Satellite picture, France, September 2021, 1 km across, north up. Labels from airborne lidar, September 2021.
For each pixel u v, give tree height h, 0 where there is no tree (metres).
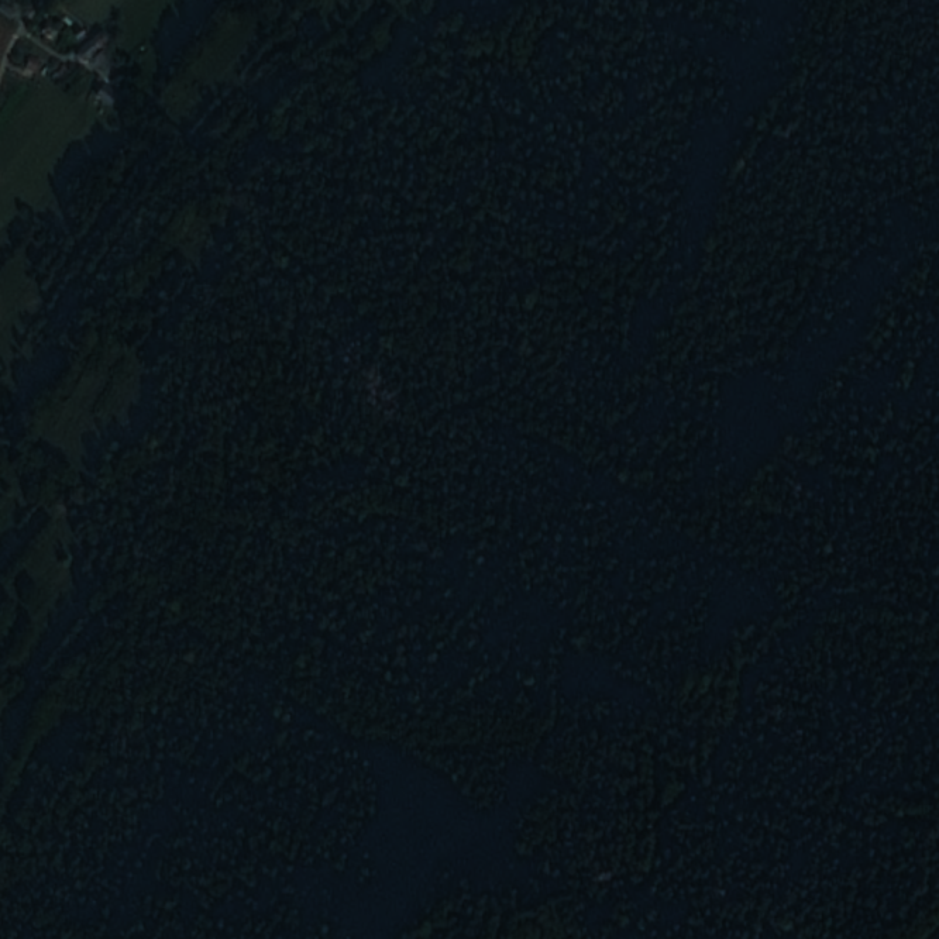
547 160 31
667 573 32
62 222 0
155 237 22
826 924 26
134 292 24
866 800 32
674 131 31
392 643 34
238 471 7
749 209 29
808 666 35
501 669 32
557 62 12
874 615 33
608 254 36
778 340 27
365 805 30
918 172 31
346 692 27
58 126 0
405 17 0
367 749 21
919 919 22
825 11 25
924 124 27
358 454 25
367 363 29
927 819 26
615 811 28
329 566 31
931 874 26
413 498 21
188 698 30
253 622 22
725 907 28
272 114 26
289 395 10
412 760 24
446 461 29
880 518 22
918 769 28
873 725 35
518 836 27
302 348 27
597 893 30
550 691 30
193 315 27
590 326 30
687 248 28
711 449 32
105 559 32
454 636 30
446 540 20
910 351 22
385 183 33
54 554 0
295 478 9
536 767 23
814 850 36
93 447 0
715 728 28
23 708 0
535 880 30
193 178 19
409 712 25
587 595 32
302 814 31
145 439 19
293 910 29
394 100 17
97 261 19
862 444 18
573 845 28
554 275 32
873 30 25
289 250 26
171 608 38
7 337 0
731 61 31
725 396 30
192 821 25
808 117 27
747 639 29
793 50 30
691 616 28
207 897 24
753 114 27
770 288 30
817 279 27
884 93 27
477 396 30
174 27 0
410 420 29
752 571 32
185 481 24
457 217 36
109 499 16
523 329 32
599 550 29
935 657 24
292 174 25
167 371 22
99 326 25
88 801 25
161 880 23
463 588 34
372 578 31
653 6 24
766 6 31
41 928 26
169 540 32
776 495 25
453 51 13
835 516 22
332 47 25
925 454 13
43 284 16
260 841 34
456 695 30
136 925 31
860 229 27
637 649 28
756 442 25
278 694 30
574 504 30
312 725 23
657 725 33
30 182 0
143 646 28
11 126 0
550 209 25
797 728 26
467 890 24
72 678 28
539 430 29
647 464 29
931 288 12
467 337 28
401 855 20
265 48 14
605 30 25
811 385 27
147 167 7
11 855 24
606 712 32
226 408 29
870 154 28
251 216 20
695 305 24
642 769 28
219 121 18
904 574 26
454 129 26
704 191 15
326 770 32
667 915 16
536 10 29
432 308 27
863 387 25
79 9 0
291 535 29
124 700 25
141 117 24
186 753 30
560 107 12
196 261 0
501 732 26
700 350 30
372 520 28
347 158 34
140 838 26
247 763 27
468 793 28
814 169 33
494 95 32
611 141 30
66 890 13
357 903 34
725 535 22
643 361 26
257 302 23
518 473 23
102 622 21
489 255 26
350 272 33
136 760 31
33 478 22
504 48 23
